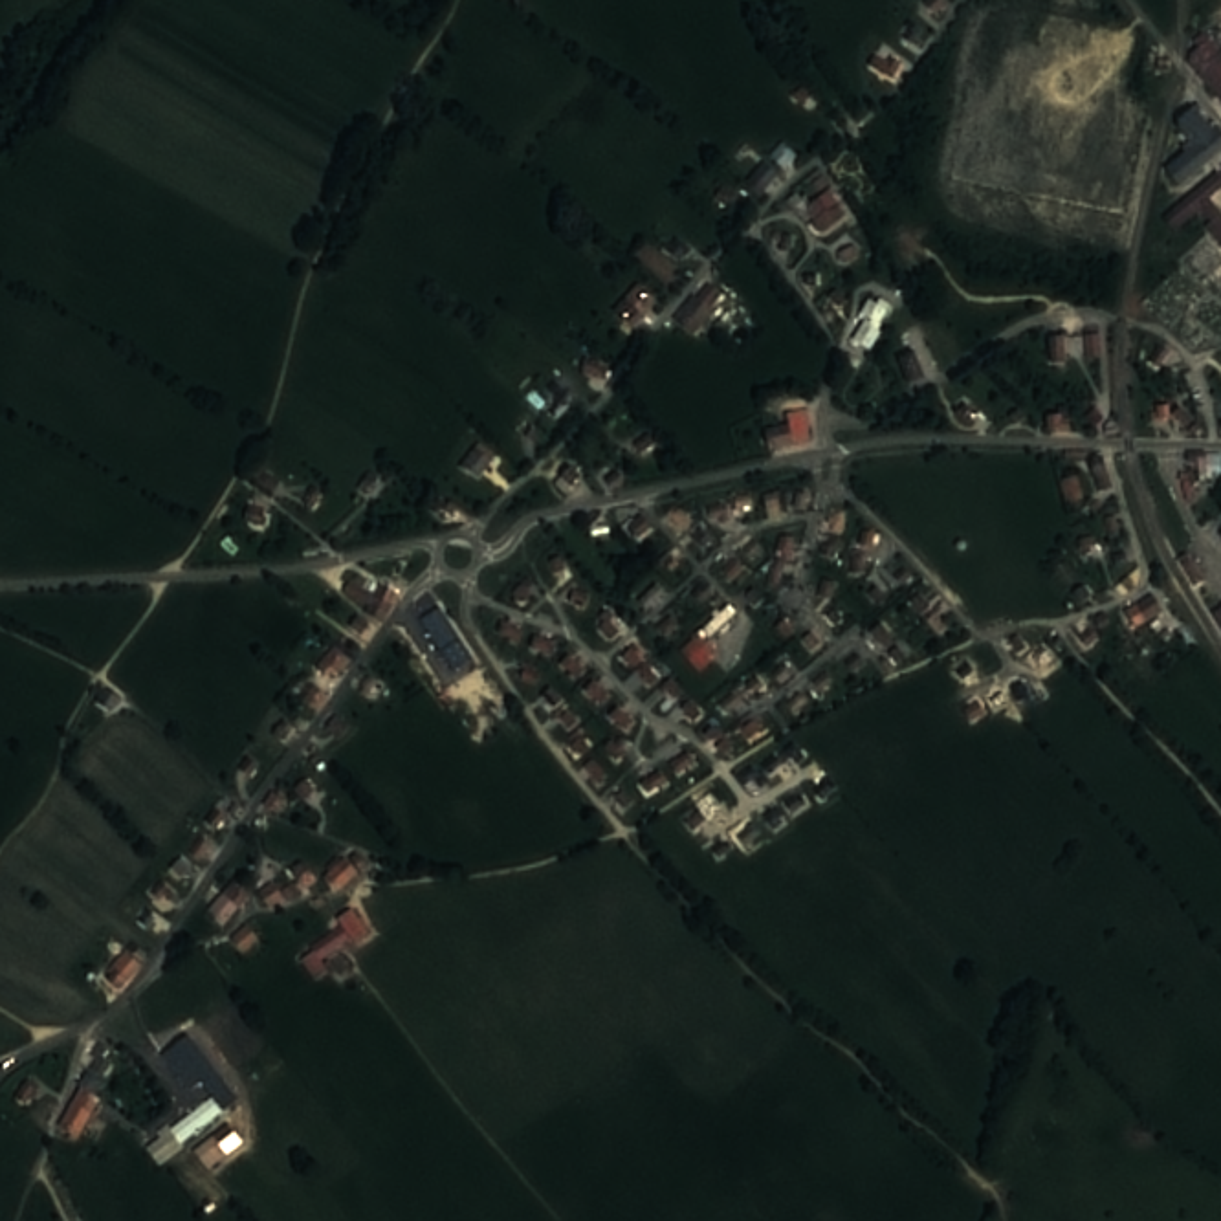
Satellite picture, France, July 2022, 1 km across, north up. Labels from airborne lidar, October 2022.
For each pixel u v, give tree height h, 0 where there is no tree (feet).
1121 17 22
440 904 0
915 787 0
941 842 0
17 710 0
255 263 0
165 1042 0
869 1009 0
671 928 0
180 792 0
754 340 58
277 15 0
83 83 0
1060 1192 0
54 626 0
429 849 0
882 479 0
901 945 0
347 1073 0
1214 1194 0
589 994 0
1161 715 0
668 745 0
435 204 0
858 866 0
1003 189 0
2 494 0
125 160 0
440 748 0
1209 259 0
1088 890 0
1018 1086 19
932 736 0
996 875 0
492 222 0
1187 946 0
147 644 0
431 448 0
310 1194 0
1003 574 0
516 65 0
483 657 0
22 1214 0
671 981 0
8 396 0
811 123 0
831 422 0
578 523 40
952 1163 22
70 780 60
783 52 77
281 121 0
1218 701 0
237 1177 0
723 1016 0
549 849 0
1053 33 0
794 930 0
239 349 0
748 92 0
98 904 0
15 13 0
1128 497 0
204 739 0
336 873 0
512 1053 0
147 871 0
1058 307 0
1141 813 0
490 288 0
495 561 0
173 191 0
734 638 0
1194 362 0
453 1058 0
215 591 0
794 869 0
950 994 0
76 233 0
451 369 0
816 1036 20
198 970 0
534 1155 0
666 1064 0
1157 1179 0
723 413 0
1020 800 0
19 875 0
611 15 0
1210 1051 0
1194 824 0
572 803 0
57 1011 0
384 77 0
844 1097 0
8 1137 0
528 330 0
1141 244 0
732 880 0
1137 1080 0
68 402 0
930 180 0
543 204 0
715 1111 0
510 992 0
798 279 0
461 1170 0
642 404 54
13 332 0
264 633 0
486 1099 0
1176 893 23
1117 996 0
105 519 0
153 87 0
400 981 0
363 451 0
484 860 0
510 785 0
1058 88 0
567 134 0
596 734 0
